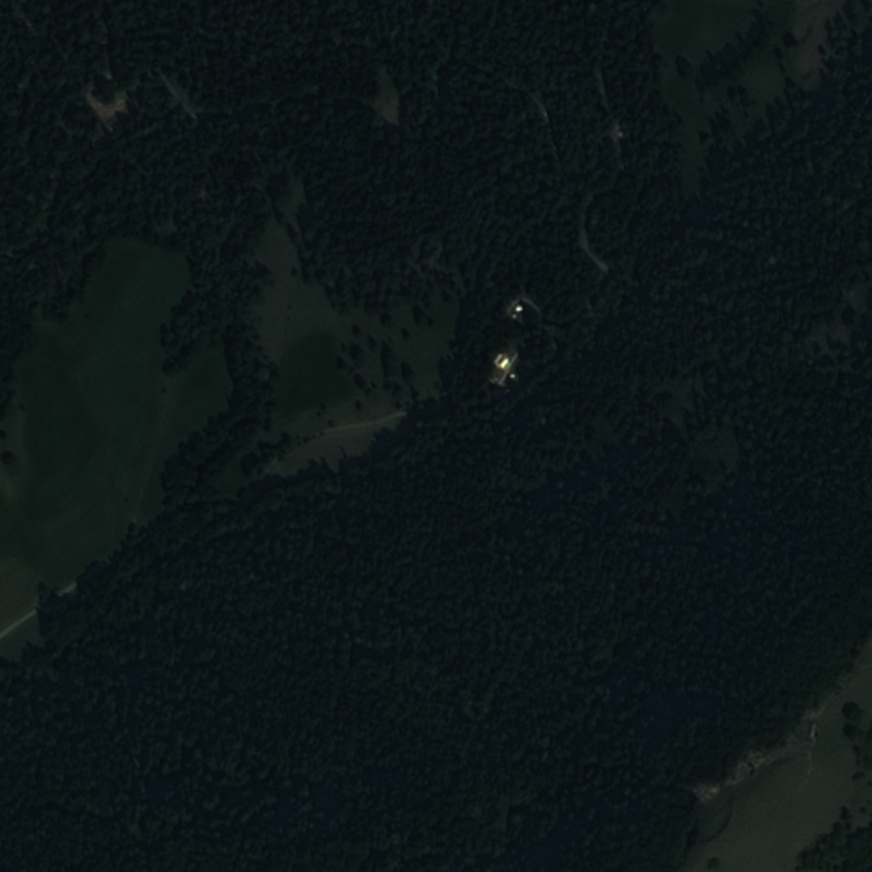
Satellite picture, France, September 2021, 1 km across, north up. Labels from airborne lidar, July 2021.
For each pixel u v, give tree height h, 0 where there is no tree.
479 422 17
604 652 28
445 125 39
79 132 14
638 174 29
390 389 15
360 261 34
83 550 0
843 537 31
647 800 27
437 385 0
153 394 0
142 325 0
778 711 19
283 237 0
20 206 12
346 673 25
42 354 0
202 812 8
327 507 20
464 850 22
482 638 26
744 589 36
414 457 30
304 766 38
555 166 22
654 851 19
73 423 0
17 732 38
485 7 27
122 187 22
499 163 31
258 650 31
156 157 35
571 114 25
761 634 27
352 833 37
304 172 21
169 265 0
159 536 21
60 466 0
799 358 13
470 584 29
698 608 23
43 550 0
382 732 29
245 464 0
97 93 11
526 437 40
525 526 23
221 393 0
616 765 30
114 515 0
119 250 0
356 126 29
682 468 26
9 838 34
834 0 0
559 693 30
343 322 0
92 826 30
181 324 22
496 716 18
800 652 19
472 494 30
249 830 17
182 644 18
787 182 28
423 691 30
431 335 0
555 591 29
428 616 31
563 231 21
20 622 0
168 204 37
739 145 0
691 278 30
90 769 34
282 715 34
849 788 0
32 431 0
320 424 0
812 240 30
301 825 27
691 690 29
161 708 34
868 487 30
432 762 20
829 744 0
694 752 17
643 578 31
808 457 27
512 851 20
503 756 23
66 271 36
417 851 31
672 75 0
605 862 27
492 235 31
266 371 15
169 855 30
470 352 20
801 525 28
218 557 38
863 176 28
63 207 20
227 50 32
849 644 21
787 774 0
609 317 19
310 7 23
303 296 0
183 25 21
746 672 27
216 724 37
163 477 0
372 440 0
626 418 25
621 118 24
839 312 11
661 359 32
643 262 28
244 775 25
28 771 34
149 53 21
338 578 22
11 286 19
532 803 22
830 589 23
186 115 13
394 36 30
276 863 23
